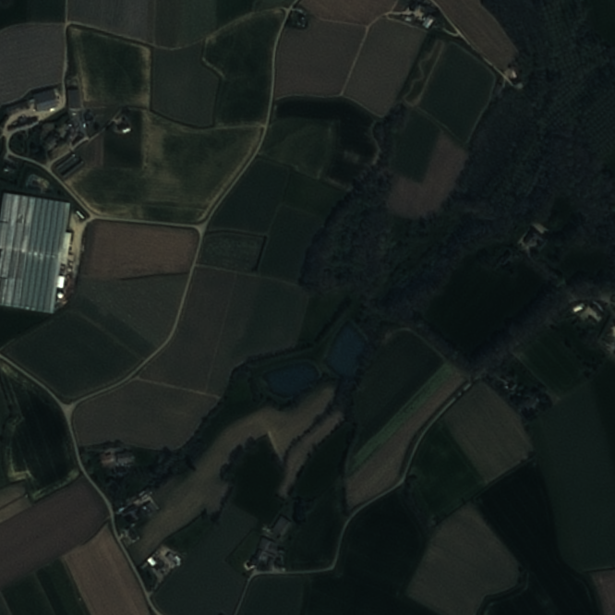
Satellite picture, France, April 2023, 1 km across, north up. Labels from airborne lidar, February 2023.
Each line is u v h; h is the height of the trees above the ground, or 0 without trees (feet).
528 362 0
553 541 0
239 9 0
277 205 0
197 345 0
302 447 0
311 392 25
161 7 0
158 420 0
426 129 0
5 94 0
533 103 50
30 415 0
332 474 0
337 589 0
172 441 0
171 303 0
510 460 0
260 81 0
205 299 0
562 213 0
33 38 0
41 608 0
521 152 83
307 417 0
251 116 0
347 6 0
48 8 0
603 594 0
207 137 0
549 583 0
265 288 0
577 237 78
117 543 0
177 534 0
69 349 0
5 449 0
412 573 0
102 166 0
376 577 0
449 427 0
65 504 0
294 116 0
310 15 0
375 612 0
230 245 0
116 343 0
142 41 0
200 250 0
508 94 44
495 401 0
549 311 75
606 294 52
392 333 0
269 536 0
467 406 0
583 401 0
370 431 0
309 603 0
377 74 0
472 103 0
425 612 0
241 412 0
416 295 94
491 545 0
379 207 62
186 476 0
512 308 0
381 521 0
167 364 0
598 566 0
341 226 35
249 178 0
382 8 0
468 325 0
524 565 0
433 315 0
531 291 0
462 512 0
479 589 0
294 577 0
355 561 0
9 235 0
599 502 0
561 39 72
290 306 0
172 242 0
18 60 0
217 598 0
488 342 0
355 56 0
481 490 0
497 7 59
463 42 27
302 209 0
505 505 0
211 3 0
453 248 64
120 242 0
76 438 0
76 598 0
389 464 0
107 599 0
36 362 0
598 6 0
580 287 73
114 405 0
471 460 0
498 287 0
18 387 0
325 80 0
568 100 88
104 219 0
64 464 0
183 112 0
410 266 0
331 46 0
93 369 0
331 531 0
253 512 0
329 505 0
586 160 102
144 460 0
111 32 0
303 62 0
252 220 0
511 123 56
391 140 52
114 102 0
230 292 0
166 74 0
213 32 0
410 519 0
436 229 41
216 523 52
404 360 0
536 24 69
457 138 0
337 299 0
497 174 76
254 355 0
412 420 0
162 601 0
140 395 0
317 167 0
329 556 0
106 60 0
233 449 0
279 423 0
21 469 0
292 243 0
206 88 0
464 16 0
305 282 41
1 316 0
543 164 74
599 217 82
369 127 0
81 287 0
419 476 0
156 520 0
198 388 0
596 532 0
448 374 0
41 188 0
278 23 0
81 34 0
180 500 0
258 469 0
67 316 0
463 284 0
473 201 88
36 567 0
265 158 0
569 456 0
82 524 0
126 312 0
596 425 0
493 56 0
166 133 0
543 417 0
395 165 0
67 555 0
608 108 110
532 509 0
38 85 0
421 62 0
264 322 0
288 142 0
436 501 0
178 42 0
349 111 0
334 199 0
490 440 0
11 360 0
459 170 0
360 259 77
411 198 0
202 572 0
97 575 0
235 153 0
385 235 70
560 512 0
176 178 0
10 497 0
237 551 0
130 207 0
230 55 0
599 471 0
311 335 0
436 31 0
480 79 0
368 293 75
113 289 0
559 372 0
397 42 0
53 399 0
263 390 0
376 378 0
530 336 59
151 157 0
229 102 0
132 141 0
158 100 0
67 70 0
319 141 0
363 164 0
